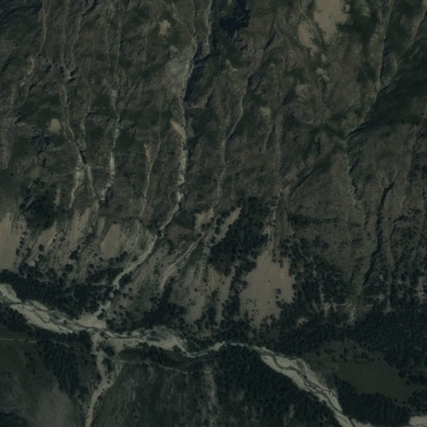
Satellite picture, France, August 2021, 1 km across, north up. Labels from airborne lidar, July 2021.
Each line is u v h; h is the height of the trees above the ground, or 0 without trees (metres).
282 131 0
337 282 8
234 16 0
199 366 8
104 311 12
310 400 22
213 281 0
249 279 0
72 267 11
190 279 0
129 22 0
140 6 0
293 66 0
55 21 0
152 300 14
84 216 0
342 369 0
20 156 0
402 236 6
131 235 0
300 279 6
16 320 15
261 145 0
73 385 8
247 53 0
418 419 0
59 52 0
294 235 11
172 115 0
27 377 0
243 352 10
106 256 0
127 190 0
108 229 0
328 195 0
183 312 13
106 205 0
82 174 0
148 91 0
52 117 0
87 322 0
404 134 0
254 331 9
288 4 0
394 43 0
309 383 0
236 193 0
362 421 13
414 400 10
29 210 12
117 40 0
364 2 0
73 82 0
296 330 6
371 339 12
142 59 0
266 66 0
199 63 0
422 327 15
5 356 0
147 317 9
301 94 0
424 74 0
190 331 7
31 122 0
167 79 0
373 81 0
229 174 0
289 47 0
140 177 0
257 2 0
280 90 0
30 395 0
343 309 0
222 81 0
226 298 0
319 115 0
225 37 0
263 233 0
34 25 0
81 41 0
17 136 0
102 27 0
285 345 12
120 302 0
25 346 0
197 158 0
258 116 0
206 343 11
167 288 8
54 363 6
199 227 0
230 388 11
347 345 0
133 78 0
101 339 0
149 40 0
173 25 0
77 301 7
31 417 0
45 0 0
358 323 10
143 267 0
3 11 0
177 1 0
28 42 0
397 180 0
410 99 0
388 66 0
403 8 0
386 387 0
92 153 0
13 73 0
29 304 0
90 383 0
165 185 0
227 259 0
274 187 0
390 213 0
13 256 0
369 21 0
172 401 0
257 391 14
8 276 13
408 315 10
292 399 14
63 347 8
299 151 0
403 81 0
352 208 0
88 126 0
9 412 0
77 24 0
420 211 7
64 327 0
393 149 0
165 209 0
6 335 0
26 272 7
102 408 6
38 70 0
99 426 0
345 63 0
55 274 14
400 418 14
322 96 0
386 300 14
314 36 0
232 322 12
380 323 10
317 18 0
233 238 7
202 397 6
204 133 0
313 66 0
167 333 0
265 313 0
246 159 0
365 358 8
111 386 0
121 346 0
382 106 0
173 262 0
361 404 18
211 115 0
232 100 0
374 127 0
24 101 0
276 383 14
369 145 0
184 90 0
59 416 0
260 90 0
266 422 0
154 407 0
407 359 20
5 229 0
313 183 0
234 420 0
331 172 0
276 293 0
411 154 0
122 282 6
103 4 0
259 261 0
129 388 0
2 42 0
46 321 0
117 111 0
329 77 0
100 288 9
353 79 0
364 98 0
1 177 0
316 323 9
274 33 0
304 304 13
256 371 13
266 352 0
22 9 0
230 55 0
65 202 0
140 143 0
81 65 0
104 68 0
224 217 12
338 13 0
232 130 0
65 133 0
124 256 12
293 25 0
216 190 0
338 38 0
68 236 0
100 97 0
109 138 0
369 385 0
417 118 0
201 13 0
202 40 0
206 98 0
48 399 0
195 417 0
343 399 16
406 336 17
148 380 0
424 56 0
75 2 0
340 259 0
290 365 0
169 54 0
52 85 0
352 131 0
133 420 0
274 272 0
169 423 0
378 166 0
